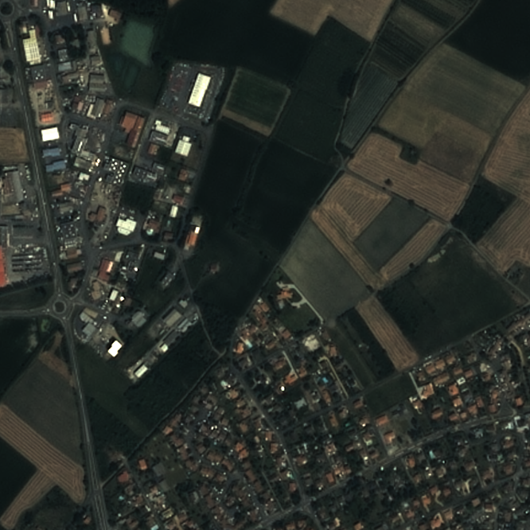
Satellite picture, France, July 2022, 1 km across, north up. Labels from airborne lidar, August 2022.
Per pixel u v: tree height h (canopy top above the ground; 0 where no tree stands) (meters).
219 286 0
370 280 0
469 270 0
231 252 0
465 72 0
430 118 0
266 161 0
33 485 0
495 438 0
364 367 0
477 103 0
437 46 0
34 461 0
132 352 0
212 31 0
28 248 0
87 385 0
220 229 0
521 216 0
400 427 0
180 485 7
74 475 0
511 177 0
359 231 0
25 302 0
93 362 0
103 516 0
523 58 0
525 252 0
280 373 0
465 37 0
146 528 7
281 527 17
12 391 0
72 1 0
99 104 0
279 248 0
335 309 0
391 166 0
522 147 0
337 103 0
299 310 0
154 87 0
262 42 0
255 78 0
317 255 0
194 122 0
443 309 0
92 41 0
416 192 0
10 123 0
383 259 0
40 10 0
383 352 9
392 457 0
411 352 0
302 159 0
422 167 0
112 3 17
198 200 0
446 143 0
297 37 0
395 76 0
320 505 6
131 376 0
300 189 0
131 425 0
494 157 0
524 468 6
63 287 0
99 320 0
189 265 0
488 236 0
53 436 0
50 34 14
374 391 0
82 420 0
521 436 0
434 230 0
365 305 0
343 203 0
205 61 0
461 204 0
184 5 0
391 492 14
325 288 0
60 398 0
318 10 0
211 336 7
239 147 0
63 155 0
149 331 0
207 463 0
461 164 0
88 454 0
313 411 0
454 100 0
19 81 0
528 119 0
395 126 0
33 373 0
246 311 0
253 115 0
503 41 0
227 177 0
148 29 0
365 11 0
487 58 0
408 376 0
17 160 0
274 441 0
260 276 0
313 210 0
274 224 0
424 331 0
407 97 0
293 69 0
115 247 0
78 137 0
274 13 0
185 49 0
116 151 0
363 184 0
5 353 0
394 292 6
